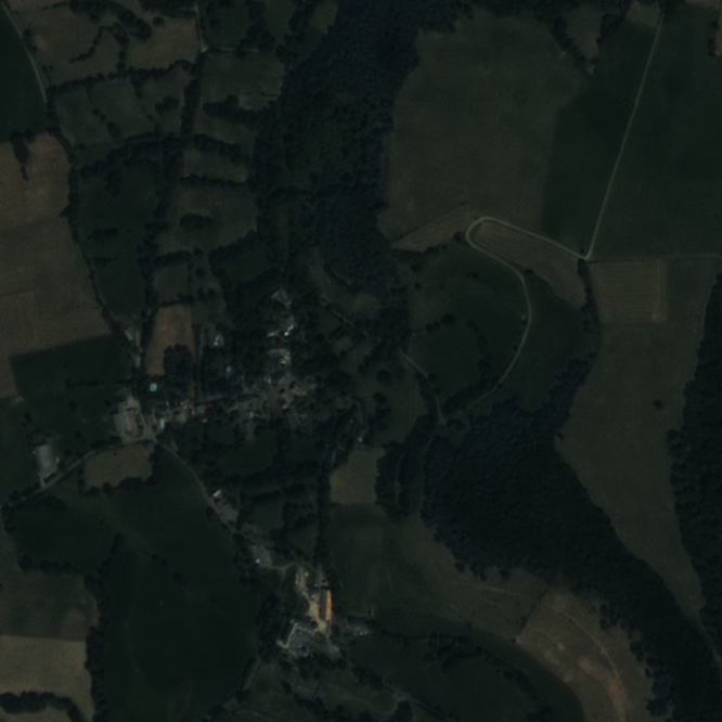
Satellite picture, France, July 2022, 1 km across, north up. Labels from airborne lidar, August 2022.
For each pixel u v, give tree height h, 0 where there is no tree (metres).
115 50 0
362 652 0
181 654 0
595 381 0
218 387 13
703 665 16
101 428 0
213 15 12
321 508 15
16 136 16
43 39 0
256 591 16
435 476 21
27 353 0
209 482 10
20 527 0
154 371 0
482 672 0
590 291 11
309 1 12
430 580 0
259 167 20
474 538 15
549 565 14
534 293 0
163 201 14
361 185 12
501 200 0
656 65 0
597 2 22
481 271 0
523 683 17
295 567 0
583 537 13
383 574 0
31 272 0
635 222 0
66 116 0
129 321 0
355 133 15
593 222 0
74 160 17
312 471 18
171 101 14
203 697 0
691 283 0
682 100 0
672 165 0
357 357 0
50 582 0
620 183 0
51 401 0
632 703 0
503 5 21
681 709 13
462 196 0
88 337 0
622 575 13
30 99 0
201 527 0
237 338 20
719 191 0
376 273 17
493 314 0
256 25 12
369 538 0
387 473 27
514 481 7
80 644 0
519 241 0
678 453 17
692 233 0
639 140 0
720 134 0
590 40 0
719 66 0
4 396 0
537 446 12
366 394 0
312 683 0
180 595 0
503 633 0
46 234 0
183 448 11
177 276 0
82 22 0
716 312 14
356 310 0
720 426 25
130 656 0
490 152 0
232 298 16
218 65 0
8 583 0
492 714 0
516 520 13
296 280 13
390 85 20
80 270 0
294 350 16
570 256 0
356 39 30
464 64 0
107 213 0
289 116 21
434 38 0
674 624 12
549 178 0
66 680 0
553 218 0
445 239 0
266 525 0
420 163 0
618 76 0
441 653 17
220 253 14
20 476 0
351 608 0
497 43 0
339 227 26
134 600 0
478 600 0
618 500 0
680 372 0
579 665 0
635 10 0
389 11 28
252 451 0
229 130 0
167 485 0
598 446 0
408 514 12
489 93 0
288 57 16
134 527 0
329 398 14
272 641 8
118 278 0
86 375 0
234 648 0
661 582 13
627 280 0
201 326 0
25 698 15
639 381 0
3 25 0
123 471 0
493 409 0
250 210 0
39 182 0
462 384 0
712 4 0
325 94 17
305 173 0
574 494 14
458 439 0
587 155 0
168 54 0
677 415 0
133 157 16
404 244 0
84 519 0
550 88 0
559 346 0
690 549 15
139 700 0
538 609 0
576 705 0
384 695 0
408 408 0
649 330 0
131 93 0
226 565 0
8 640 0
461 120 0
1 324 0
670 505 0
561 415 17
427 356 0
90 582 17
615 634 0
